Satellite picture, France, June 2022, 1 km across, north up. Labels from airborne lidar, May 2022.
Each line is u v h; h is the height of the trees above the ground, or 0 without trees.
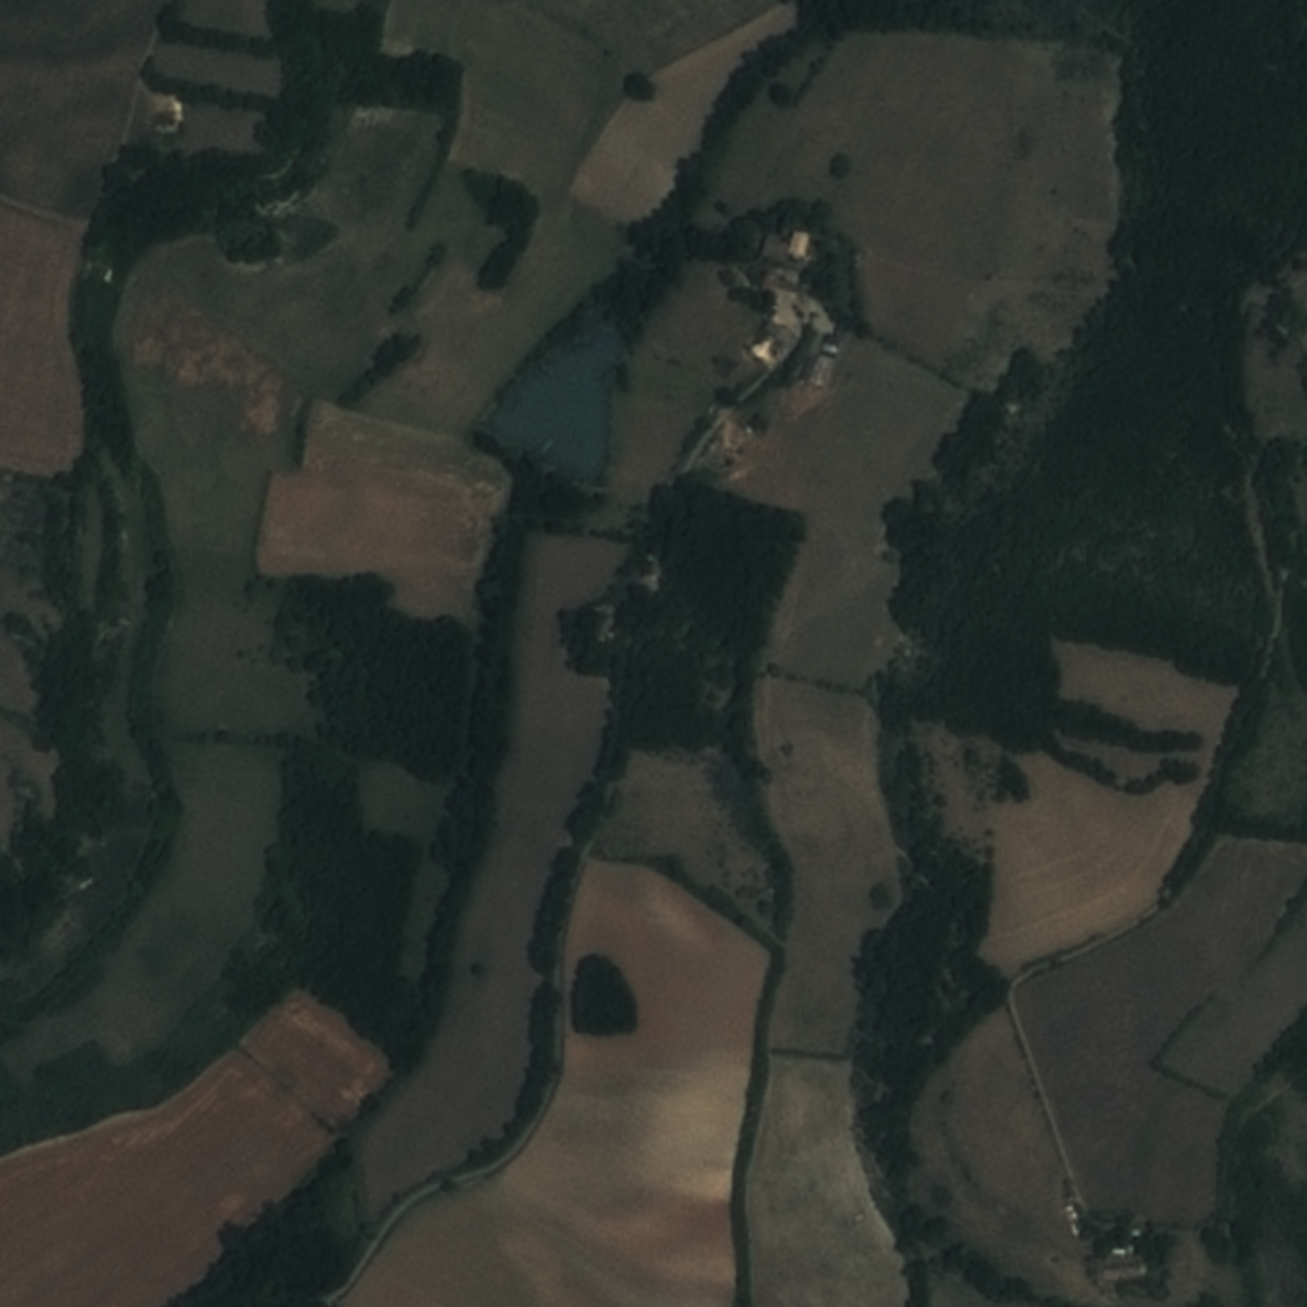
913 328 0
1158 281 11
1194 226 11
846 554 0
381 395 0
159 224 16
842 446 0
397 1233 0
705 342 0
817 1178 0
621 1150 0
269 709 0
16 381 0
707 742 10
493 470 0
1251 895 0
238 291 0
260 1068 0
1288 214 7
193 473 0
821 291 11
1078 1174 0
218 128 0
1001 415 7
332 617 16
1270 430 0
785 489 0
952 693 9
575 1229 0
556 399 0
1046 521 9
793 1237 0
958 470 12
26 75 0
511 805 0
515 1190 0
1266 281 8
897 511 15
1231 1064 0
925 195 0
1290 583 8
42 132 0
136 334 0
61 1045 0
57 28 0
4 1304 0
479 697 18
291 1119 0
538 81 0
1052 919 0
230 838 0
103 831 9
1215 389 7
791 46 23
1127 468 10
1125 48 11
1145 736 8
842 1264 0
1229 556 9
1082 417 10
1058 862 0
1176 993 0
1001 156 0
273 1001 13
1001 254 0
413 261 0
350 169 0
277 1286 18
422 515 0
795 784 0
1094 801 0
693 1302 0
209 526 0
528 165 0
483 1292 0
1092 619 8
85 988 0
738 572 17
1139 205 7
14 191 0
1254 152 8
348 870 20
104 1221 0
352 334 0
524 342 0
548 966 16
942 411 0
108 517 12
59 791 10
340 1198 0
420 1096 0
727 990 0
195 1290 8
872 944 17
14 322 0
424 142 0
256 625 0
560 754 0
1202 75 8
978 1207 0
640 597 16
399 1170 0
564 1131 0
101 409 13
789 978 0
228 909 0
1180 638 8
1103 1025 0
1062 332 0
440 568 0
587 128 0
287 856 7
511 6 0
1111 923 0
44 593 7
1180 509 6
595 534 12
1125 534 7
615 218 0
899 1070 10
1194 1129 0
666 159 0
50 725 10
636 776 0
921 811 10
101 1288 0
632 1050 0
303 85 12
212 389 0
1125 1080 0
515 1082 0
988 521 9
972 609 8
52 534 7
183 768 0
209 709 0
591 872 0
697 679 11
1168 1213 0
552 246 0
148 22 0
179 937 0
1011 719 9
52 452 0
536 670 0
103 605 6
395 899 21
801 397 0
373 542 0
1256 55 10
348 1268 17
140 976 0
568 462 0
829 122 0
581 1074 0
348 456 0
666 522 7
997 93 0
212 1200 0
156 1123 0
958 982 12
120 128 0
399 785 0
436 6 0
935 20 10
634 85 19
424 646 13
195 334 0
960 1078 0
